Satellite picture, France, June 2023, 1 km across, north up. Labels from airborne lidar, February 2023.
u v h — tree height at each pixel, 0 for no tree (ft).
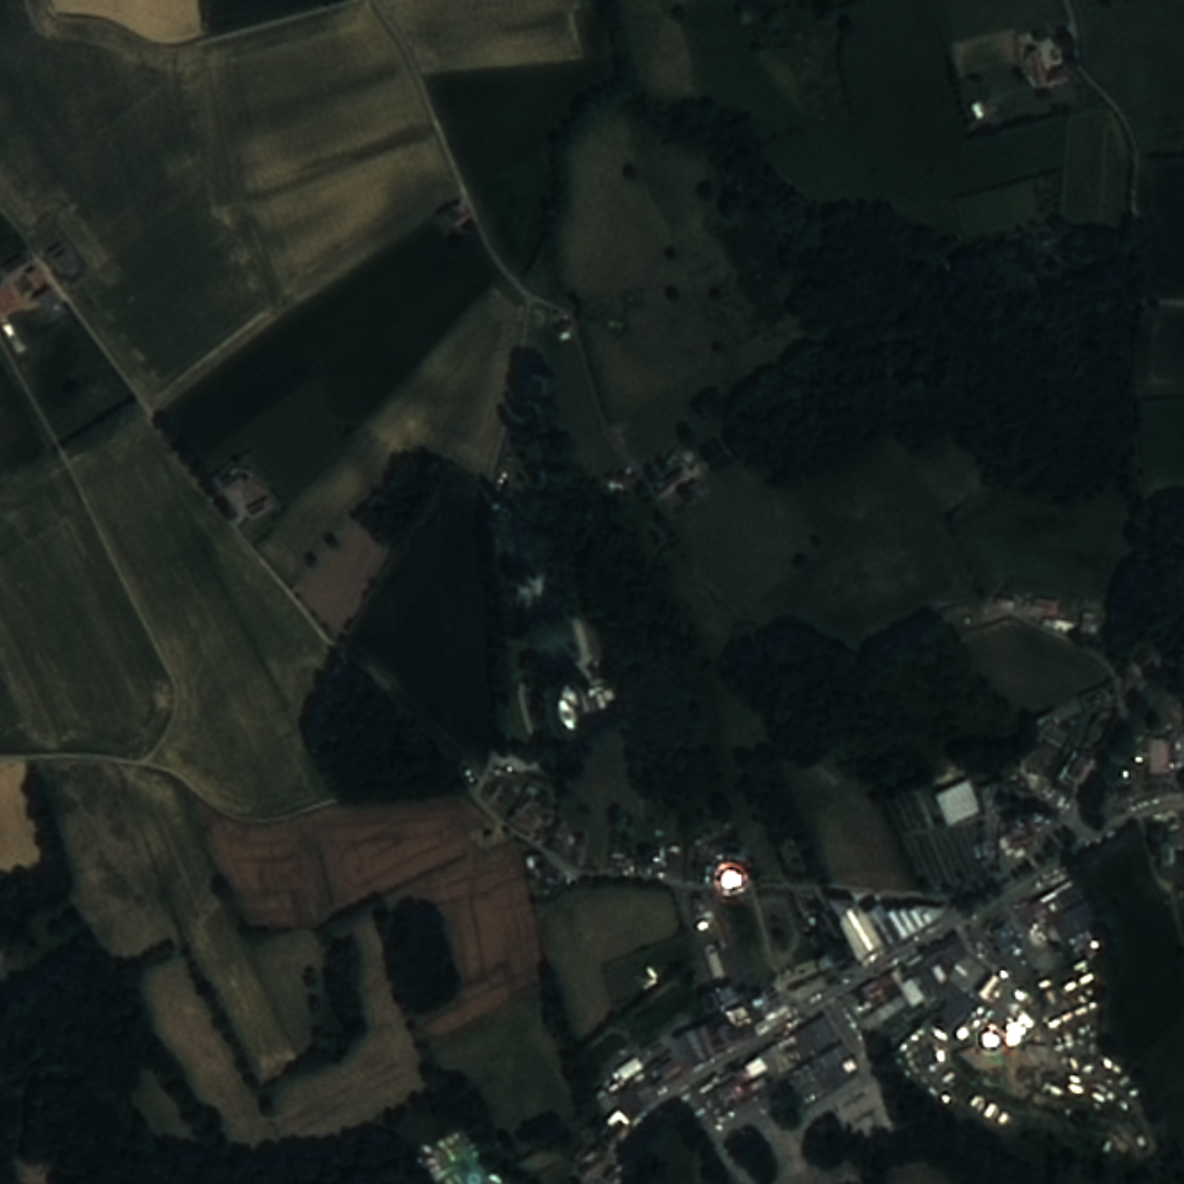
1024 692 0
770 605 0
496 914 0
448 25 0
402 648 0
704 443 0
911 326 58
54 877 69
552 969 33
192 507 0
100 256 0
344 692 69
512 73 0
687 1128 48
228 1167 85
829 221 45
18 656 0
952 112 0
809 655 75
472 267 0
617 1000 0
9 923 63
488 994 0
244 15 0
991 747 47
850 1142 59
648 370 0
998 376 73
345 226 0
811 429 55
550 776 21
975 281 68
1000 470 81
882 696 96
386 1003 0
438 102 0
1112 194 0
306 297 0
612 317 0
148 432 0
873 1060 61
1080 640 35
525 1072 0
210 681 0
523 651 0
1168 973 0
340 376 0
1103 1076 0
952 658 73
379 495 30
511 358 0
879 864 0
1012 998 0
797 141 0
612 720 60
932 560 0
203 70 0
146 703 0
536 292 0
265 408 0
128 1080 73
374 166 0
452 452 0
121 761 0
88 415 0
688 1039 0
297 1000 0
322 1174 54
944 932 0
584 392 0
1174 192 0
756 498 0
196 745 0
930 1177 0
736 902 0
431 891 0
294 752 0
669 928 0
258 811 0
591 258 0
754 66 0
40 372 0
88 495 0
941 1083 0
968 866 0
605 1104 0
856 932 0
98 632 0
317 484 0
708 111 46
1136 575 71
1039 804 30
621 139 0
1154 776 0
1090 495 32
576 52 0
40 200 0
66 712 0
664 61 0
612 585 78
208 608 0
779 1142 0
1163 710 0
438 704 0
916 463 0
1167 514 61
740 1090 0
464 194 0
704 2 0
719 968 0
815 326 66
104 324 0
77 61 0
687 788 47
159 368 0
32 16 0
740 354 0
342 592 0
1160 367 0
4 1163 61
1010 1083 0
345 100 0
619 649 70
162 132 0
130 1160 81
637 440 0
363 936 0
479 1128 50
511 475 0
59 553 0
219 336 0
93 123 0
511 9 0
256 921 0
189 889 0
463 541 0
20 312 0
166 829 0
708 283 0
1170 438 0
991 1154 58
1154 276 0
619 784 0
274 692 0
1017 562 0
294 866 0
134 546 0
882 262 72
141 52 0
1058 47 24
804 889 0
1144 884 0
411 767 48
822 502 0
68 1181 77
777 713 71
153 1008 0
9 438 0
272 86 0
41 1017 87
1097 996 46
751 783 61
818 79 0
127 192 0
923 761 30
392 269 0
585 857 0
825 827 0
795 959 0
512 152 0
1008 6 0
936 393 69
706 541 0
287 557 0
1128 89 0
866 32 0
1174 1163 52
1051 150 0
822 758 43
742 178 58
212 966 0
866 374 75
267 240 0
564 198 22
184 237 0
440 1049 0
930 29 0
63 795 0
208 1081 0
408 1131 0
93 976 72
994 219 0
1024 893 0
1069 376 49
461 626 0
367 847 0
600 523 58
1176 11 0
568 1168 0
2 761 0
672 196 0
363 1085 0
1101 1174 66
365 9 0
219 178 0
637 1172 52
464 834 0
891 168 0
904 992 0
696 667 0
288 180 0
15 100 0
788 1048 0
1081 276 55
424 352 0
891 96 0
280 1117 0
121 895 0
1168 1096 0
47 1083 76
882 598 0
